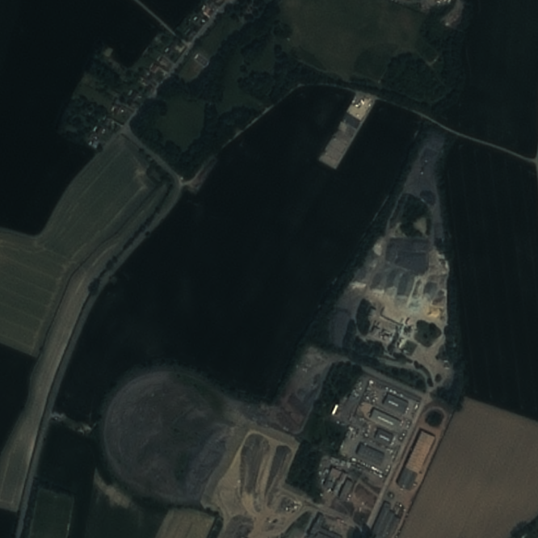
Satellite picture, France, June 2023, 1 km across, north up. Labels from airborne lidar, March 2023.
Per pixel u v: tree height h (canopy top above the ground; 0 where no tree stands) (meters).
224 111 0
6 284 0
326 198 0
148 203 0
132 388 0
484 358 0
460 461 0
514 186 0
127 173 0
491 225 0
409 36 0
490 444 0
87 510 0
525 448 0
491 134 0
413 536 0
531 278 0
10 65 0
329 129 0
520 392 0
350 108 0
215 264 0
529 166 0
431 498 0
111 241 0
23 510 0
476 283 0
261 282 0
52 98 0
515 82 0
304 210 0
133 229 0
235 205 0
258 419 0
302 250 0
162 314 0
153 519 0
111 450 0
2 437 0
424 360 0
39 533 0
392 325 0
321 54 0
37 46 0
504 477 0
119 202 0
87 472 0
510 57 0
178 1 0
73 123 12
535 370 0
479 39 0
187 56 6
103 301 0
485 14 0
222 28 0
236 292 0
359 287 0
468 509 0
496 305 0
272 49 0
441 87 6
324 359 0
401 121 0
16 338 0
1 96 0
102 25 0
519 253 0
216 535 0
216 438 0
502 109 0
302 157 0
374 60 0
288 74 13
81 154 0
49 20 0
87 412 0
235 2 0
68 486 0
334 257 0
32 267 0
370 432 0
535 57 0
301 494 0
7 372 0
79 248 0
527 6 0
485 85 0
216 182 0
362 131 0
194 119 0
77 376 0
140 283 0
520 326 0
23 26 0
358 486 0
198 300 0
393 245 0
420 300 0
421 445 0
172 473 0
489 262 0
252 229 0
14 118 0
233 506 0
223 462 0
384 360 0
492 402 0
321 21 0
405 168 10
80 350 0
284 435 0
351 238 0
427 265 0
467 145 0
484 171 0
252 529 0
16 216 0
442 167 9
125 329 0
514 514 0
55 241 0
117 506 0
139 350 0
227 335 0
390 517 0
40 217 0
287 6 0
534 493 0
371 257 0
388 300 0
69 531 0
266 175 0
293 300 0
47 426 0
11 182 0
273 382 0
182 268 0
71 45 0
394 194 8
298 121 0
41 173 0
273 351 0
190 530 0
